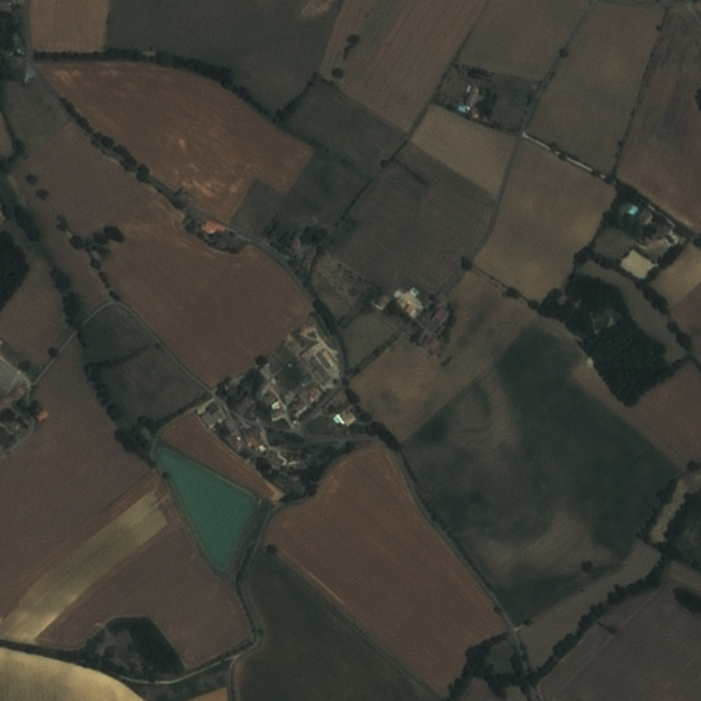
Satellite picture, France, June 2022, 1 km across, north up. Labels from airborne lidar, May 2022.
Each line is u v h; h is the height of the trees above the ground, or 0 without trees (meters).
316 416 0
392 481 0
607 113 0
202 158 0
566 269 0
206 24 0
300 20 0
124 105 0
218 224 0
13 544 0
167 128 0
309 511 0
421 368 0
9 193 0
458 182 0
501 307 0
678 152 0
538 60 0
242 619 0
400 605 0
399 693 0
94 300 0
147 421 14
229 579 0
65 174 0
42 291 0
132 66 0
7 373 0
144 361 0
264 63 0
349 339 0
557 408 0
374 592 0
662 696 0
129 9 0
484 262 0
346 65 0
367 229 0
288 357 0
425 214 0
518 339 0
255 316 0
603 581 0
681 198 0
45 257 0
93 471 0
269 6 0
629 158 0
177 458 0
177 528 0
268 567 0
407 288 0
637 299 0
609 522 0
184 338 0
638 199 11
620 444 0
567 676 0
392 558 0
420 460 0
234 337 0
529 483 0
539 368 0
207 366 0
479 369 0
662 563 9
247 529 0
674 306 0
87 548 0
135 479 0
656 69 0
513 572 0
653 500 0
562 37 0
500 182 0
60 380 0
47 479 0
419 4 0
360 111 0
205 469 0
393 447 14
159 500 0
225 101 0
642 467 0
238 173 0
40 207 0
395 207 0
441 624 0
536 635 0
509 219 0
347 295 0
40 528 0
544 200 0
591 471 0
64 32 0
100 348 0
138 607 0
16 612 0
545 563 0
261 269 0
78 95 0
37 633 0
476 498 0
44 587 0
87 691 0
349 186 0
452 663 0
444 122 0
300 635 0
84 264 0
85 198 0
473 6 0
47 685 0
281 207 0
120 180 0
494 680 20
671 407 0
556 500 0
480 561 0
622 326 11
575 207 0
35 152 0
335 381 9
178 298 0
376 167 0
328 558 0
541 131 0
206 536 0
